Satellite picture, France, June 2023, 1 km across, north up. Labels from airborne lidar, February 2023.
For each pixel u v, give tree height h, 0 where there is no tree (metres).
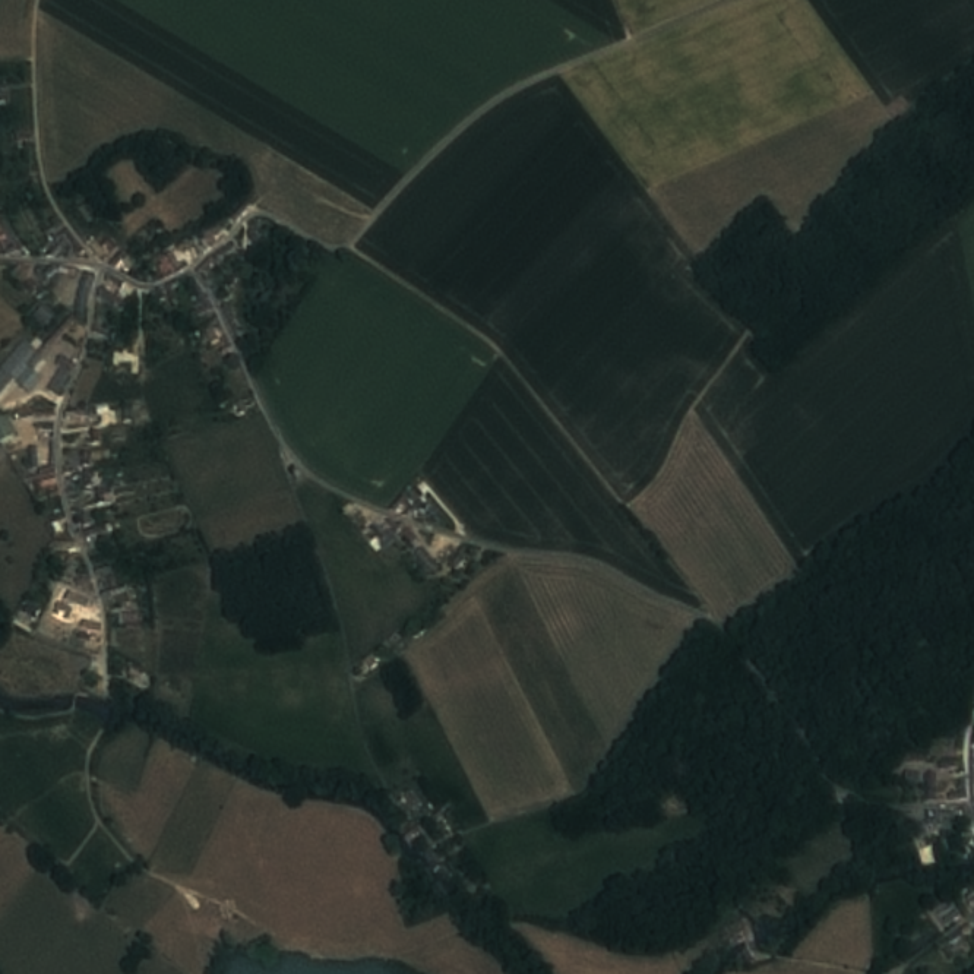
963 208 14
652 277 0
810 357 0
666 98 0
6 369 0
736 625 21
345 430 0
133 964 15
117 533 9
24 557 0
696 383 0
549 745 0
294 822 0
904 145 20
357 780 17
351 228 0
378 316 0
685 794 22
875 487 0
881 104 0
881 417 0
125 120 0
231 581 19
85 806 0
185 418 0
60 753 0
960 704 29
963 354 0
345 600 0
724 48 0
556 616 0
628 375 0
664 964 0
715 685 25
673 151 0
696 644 17
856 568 22
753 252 19
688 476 0
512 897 0
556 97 0
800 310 18
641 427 0
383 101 0
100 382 0
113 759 0
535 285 0
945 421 0
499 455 0
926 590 27
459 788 0
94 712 0
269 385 0
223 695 0
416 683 12
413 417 0
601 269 0
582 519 0
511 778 0
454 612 0
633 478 0
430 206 0
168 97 0
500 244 0
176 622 0
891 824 24
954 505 8
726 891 27
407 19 0
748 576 0
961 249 0
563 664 0
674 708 27
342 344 0
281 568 19
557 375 0
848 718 28
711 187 0
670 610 0
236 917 6
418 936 0
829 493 0
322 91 0
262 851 0
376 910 0
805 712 25
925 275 0
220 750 19
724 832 18
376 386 0
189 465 0
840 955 0
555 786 0
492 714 0
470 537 0
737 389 0
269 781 19
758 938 0
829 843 0
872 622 28
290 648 9
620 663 0
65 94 0
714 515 0
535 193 0
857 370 0
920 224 22
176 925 0
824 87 0
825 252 22
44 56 0
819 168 0
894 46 0
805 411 0
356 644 0
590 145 0
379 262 0
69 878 21
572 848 0
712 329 0
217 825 0
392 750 0
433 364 0
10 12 0
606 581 0
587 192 0
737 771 28
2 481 0
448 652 0
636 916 25
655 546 12
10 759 0
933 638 31
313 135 0
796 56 0
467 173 0
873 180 21
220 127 0
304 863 0
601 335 0
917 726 28
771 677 18
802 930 15
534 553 0
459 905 18
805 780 22
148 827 0
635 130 0
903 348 0
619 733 0
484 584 0
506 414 0
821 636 22
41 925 0
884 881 11
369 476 0
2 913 0
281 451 0
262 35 0
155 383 0
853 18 0
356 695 0
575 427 0
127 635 0
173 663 0
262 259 12
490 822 0
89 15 0
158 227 6
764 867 24
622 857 0
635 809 20
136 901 0
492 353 0
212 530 0
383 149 0
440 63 0
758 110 0
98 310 0
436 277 0
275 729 0
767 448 0
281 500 0
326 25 0
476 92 0
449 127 0
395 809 9
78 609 16
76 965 0
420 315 0
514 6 0
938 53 0
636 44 0
